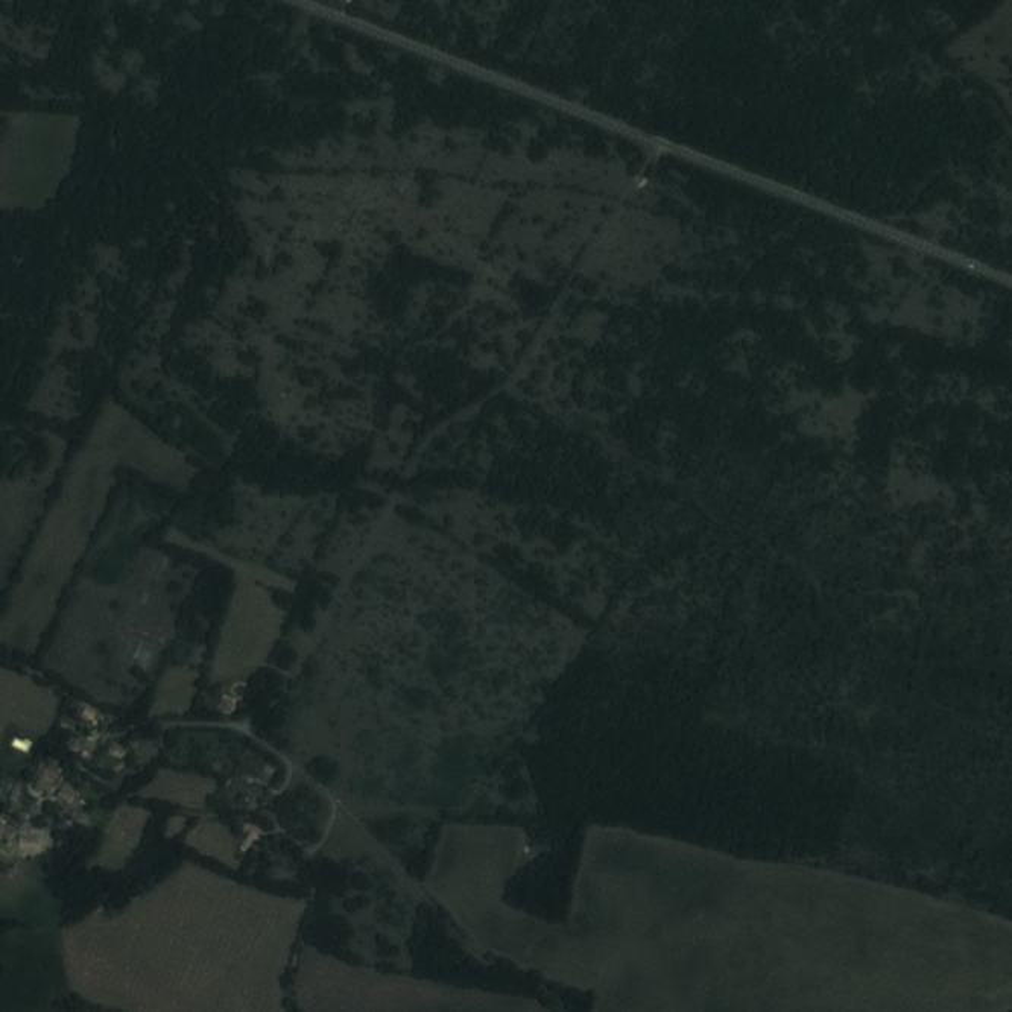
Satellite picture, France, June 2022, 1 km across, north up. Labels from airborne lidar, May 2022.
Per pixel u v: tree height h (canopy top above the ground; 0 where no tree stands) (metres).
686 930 0
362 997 0
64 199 16
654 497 8
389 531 0
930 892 7
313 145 8
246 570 0
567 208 8
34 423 7
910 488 0
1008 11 0
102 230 11
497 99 7
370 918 0
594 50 7
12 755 0
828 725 6
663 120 8
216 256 10
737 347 6
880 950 0
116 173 13
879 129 9
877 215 9
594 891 0
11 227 12
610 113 9
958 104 6
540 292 8
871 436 7
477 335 7
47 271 13
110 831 0
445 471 8
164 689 0
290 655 9
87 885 16
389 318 6
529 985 15
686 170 8
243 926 0
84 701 9
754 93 7
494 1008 0
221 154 7
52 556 0
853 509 8
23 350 7
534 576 7
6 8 8
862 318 8
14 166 0
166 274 9
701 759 11
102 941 0
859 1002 0
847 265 6
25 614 0
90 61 6
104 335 11
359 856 0
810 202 0
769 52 8
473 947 0
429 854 10
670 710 9
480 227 0
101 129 12
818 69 9
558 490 11
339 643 0
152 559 0
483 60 10
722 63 9
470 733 0
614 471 7
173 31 11
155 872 10
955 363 8
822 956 0
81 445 12
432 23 7
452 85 8
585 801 11
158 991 0
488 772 6
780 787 10
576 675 7
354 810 0
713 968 0
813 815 8
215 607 11
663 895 0
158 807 13
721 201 8
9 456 9
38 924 0
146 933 0
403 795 0
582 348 8
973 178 8
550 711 9
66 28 11
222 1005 0
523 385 8
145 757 0
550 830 9
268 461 8
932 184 8
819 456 6
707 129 11
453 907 0
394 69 8
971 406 6
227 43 12
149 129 12
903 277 7
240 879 8
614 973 0
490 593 0
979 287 6
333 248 9
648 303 8
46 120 0
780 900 0
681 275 7
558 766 9
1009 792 0
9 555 0
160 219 11
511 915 0
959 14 9
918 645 9
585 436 8
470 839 0
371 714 0
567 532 9
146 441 0
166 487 10
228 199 9
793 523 7
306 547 0
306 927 9
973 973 0
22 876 0
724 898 0
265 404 7
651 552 6
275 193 8
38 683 9
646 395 8
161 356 10
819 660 8
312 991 0
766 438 9
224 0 8
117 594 0
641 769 11
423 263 10
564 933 0
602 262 0
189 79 13
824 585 9
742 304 7
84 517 0
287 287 0
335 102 8
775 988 0
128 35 8
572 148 6
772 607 7
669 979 0
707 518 7
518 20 8
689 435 7
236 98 7
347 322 0
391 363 7
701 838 7
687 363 6
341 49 8
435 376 11
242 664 0
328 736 0
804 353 7
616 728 8
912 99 6
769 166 11
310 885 8
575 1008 9
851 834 0
